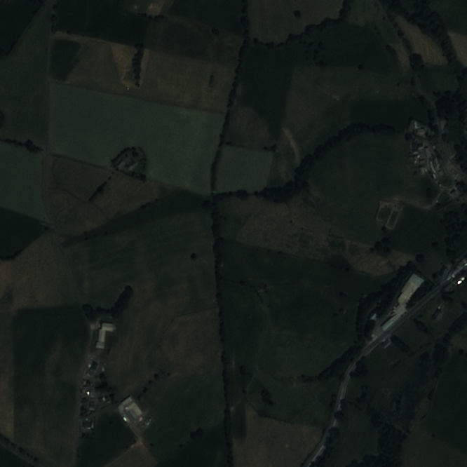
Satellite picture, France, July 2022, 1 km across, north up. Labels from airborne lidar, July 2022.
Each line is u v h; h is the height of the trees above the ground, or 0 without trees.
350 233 0
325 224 0
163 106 0
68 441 0
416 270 11
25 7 0
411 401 0
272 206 0
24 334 0
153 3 0
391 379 0
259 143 0
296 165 0
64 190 0
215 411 0
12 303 0
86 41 0
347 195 0
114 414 0
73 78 0
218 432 0
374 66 0
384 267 0
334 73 0
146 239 0
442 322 0
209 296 0
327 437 0
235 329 0
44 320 0
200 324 0
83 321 0
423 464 0
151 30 0
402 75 0
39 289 0
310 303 0
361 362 12
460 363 0
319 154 19
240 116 0
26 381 0
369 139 0
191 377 0
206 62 0
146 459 0
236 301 0
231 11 0
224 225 0
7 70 0
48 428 0
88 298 0
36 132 0
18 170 0
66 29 0
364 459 0
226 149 0
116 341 0
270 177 0
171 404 0
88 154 0
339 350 0
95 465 0
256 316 0
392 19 10
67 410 0
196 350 0
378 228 0
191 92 0
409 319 0
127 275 0
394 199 0
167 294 0
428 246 0
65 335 0
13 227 0
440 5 0
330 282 0
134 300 0
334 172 0
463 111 13
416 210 0
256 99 0
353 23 0
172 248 0
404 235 0
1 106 0
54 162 0
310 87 0
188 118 0
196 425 0
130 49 0
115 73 0
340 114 0
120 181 0
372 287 0
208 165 0
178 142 0
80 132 0
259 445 0
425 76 0
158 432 0
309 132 0
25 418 0
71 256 0
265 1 0
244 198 16
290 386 0
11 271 0
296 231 0
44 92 0
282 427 0
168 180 0
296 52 0
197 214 0
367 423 0
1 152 0
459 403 0
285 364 0
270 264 0
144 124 0
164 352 0
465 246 0
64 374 0
